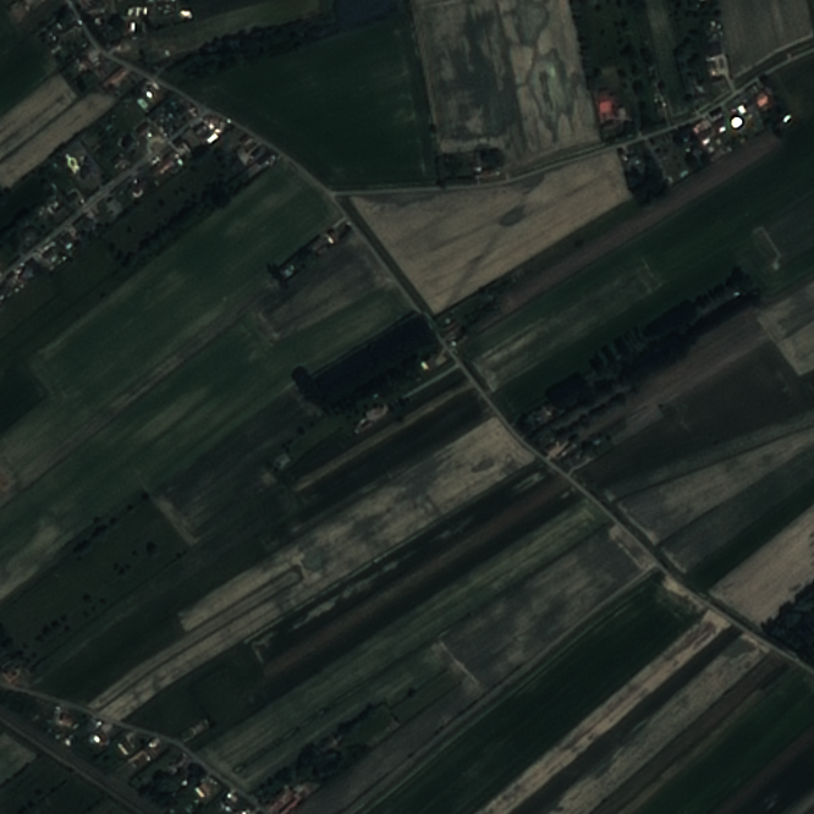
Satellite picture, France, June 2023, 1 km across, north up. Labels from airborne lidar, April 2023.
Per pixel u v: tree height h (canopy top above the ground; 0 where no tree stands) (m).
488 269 0
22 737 0
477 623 0
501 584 0
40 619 0
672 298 0
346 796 0
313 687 0
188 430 0
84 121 0
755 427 0
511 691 0
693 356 0
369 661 0
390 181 0
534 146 0
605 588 0
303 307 0
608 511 0
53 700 0
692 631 0
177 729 0
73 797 0
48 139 0
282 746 0
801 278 0
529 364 0
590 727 0
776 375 0
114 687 0
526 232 0
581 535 0
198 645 0
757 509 0
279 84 0
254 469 0
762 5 0
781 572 0
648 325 0
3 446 0
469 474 0
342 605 0
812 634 26
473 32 0
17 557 0
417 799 0
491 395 0
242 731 0
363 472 0
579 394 15
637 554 0
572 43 0
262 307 0
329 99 0
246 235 0
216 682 0
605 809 0
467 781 0
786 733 0
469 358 0
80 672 0
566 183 0
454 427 0
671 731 0
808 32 0
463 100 0
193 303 0
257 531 0
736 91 0
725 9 0
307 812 0
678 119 0
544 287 0
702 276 0
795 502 0
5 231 9
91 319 0
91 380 0
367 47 0
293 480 0
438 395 0
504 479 0
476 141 0
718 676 0
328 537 0
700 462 0
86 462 0
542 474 0
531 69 0
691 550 0
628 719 0
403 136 0
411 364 24
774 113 7
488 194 0
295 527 0
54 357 0
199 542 0
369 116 0
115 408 0
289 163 0
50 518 0
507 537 0
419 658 0
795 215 0
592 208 0
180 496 0
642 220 0
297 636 0
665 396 0
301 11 0
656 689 0
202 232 0
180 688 0
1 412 0
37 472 0
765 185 0
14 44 0
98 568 0
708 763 0
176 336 0
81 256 0
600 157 0
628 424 0
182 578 0
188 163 6
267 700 0
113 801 0
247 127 0
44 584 0
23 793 0
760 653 0
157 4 0
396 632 0
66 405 0
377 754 0
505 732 0
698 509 0
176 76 0
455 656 0
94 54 0
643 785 0
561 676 0
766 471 0
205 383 0
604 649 0
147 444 0
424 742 0
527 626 0
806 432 0
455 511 0
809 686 0
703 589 0
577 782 0
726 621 0
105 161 0
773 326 0
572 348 0
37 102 0
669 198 0
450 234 0
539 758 0
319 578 0
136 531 0
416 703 0
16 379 0
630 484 0
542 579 0
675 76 0
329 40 0
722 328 0
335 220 0
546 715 0
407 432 0
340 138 0
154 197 0
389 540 0
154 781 10
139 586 0
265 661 0
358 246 0
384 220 0
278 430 0
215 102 0
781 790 0
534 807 0
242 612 0
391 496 0
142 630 0
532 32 0
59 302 0
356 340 0
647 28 0
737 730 0
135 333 0
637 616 0
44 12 0
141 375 0
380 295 0
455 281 0
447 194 0
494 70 0
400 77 0
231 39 12
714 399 0
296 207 0
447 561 0
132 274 0
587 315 0
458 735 0
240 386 0
